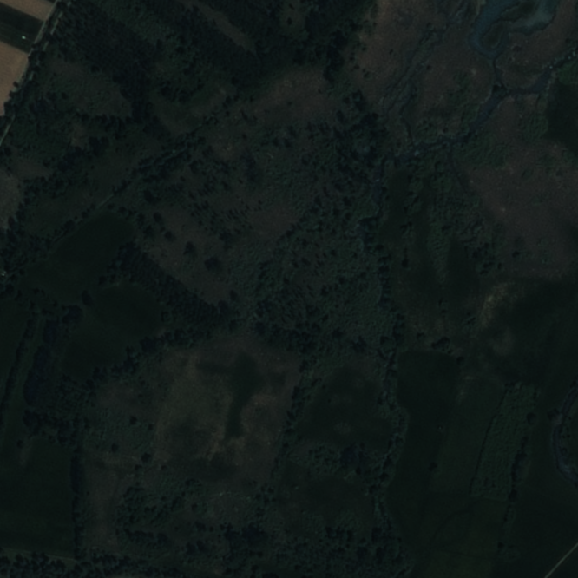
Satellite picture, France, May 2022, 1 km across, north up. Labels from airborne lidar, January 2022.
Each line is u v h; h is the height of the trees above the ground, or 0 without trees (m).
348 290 11
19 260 19
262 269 11
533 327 0
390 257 12
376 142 15
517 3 0
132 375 22
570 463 13
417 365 0
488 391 0
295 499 0
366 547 10
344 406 0
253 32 33
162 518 14
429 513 0
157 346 17
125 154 0
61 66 0
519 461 22
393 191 0
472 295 0
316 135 10
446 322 0
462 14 0
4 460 0
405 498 0
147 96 16
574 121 0
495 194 0
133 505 14
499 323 0
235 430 0
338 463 8
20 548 0
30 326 15
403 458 0
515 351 0
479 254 18
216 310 18
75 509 14
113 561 21
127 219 13
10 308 0
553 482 0
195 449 0
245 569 11
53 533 0
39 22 0
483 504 0
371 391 0
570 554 0
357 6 17
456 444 0
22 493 0
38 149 10
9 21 0
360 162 35
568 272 0
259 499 12
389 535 12
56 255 0
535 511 0
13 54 0
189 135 12
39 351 0
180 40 8
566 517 0
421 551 0
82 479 30
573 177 0
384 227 0
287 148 14
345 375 0
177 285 24
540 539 0
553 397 0
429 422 0
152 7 27
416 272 0
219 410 0
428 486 0
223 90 0
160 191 29
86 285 0
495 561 0
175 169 13
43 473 0
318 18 31
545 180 0
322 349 8
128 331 0
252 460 0
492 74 0
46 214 0
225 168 28
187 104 12
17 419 0
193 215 22
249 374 0
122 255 11
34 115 33
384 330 6
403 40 0
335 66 22
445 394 0
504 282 0
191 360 0
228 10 31
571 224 0
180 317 13
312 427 0
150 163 15
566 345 0
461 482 0
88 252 0
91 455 0
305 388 9
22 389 0
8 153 21
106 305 0
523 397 6
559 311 0
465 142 9
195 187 0
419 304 0
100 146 26
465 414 0
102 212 0
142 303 0
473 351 0
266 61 32
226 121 0
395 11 0
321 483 0
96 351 0
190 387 0
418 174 10
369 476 19
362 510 0
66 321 16
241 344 0
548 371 0
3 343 0
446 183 6
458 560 0
